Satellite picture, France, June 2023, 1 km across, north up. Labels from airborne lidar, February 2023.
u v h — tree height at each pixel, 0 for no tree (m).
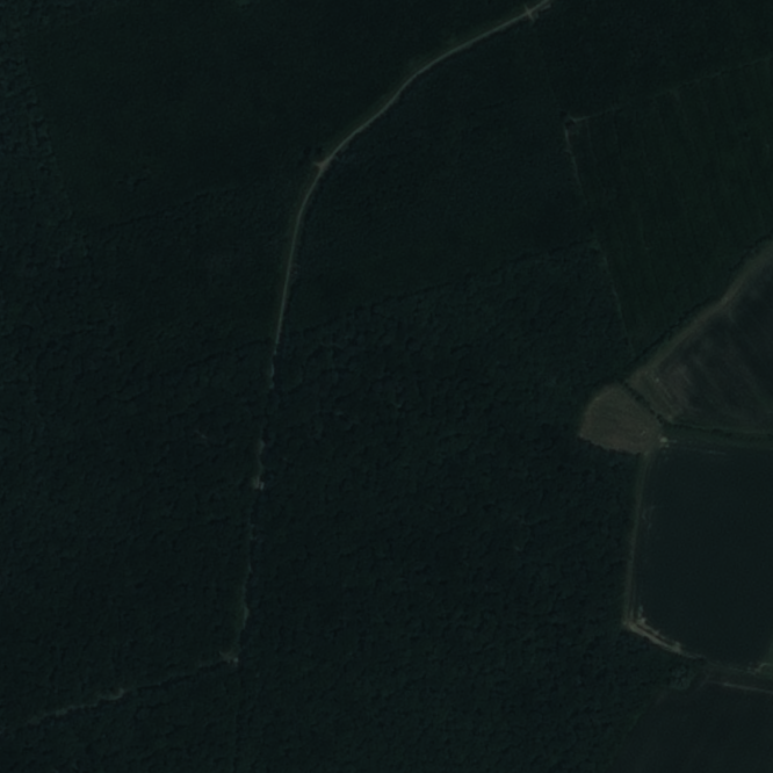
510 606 24
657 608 0
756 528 0
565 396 22
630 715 18
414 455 26
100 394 28
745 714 0
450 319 25
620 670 23
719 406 0
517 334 25
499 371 28
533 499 28
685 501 0
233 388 29
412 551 29
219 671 25
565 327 23
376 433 27
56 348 27
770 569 0
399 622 24
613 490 26
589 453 26
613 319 21
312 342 25
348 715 24
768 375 0
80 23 8
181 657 26
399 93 0
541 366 23
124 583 27
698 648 0
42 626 24
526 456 28
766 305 0
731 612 0
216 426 28
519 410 26
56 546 22
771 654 0
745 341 0
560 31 9
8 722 25
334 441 29
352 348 28
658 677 17
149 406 28
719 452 0
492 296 25
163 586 24
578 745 26
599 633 27
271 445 21
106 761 25
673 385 0
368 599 23
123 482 26
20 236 26
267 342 18
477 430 29
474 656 22
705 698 0
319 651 28
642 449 0
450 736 26
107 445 24
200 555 23
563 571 23
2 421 24
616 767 0
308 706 26
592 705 27
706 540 0
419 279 14
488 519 25
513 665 24
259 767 22
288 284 0
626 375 12
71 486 26
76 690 27
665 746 0
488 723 25
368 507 26
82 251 22
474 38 0
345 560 25
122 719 28
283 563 25
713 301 7
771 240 13
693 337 0
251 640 23
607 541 26
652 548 0
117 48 9
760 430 0
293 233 0
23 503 22
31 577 26
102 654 23
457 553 29
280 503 28
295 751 25
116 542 22
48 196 22
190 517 24
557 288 26
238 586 20
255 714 25
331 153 0
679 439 0
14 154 22
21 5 20
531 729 22
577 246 22
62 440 23
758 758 0
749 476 0
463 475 28
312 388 29
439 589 27
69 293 28
